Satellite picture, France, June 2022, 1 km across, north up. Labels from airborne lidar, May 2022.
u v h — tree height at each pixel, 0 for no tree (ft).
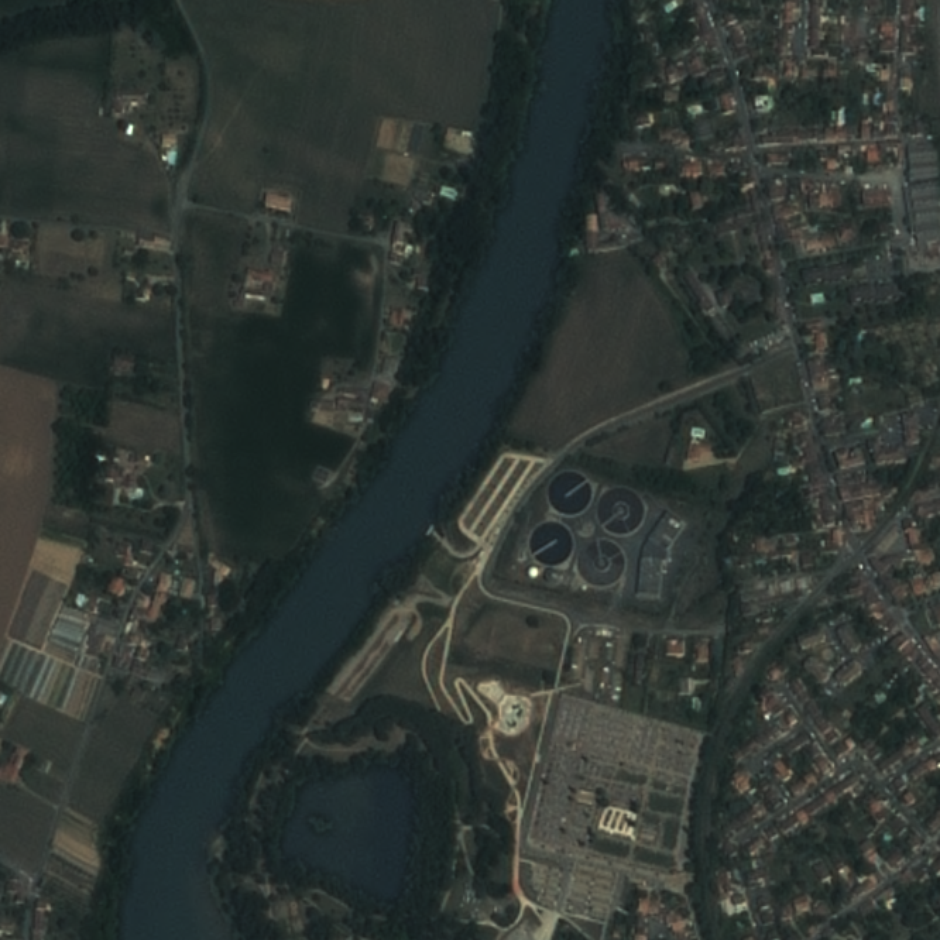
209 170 0
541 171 0
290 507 0
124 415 0
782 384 0
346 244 0
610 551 0
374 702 42
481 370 0
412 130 0
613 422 0
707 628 0
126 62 0
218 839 0
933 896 44
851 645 0
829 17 0
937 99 0
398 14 0
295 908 0
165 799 0
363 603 0
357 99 0
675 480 40
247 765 50
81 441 32
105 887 51
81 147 0
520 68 54
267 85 0
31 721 0
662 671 0
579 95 0
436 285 55
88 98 0
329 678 23
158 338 0
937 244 0
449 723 49
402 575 100
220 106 0
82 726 0
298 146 0
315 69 0
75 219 33
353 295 0
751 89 26
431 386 66
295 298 0
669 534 0
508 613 0
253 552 0
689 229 20
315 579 0
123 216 0
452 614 0
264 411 0
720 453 23
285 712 69
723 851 23
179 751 0
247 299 0
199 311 0
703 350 36
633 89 35
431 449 0
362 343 0
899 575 21
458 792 27
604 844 0
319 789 0
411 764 109
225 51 0
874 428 24
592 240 0
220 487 0
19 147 0
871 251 26
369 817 0
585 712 0
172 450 0
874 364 32
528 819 0
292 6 0
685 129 26
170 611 23
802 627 25
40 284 0
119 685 18
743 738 35
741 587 23
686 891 21
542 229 0
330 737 48
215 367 0
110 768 0
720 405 25
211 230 0
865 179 0
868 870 45
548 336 31
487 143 103
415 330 34
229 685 0
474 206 82
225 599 64
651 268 36
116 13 69
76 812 0
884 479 30
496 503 0
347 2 0
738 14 24
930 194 0
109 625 0
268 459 0
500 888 43
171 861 0
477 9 0
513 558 0
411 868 85
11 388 0
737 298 25
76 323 0
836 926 31
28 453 0
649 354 0
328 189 0
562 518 0
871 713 22
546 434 0
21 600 0
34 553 0
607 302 0
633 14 19
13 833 0
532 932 0
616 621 0
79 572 27
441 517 107
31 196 0
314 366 0
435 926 80
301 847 0
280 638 0
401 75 0
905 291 70
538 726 0
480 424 0
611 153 28
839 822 39
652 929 0
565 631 0
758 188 25
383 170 0
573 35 0
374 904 81
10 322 0
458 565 0
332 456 0
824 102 29
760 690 35
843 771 0
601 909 0
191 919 0
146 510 35
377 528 0
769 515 19
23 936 0
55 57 0
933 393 30
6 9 0
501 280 0
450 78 0
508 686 0
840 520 26
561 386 0
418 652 0
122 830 83
